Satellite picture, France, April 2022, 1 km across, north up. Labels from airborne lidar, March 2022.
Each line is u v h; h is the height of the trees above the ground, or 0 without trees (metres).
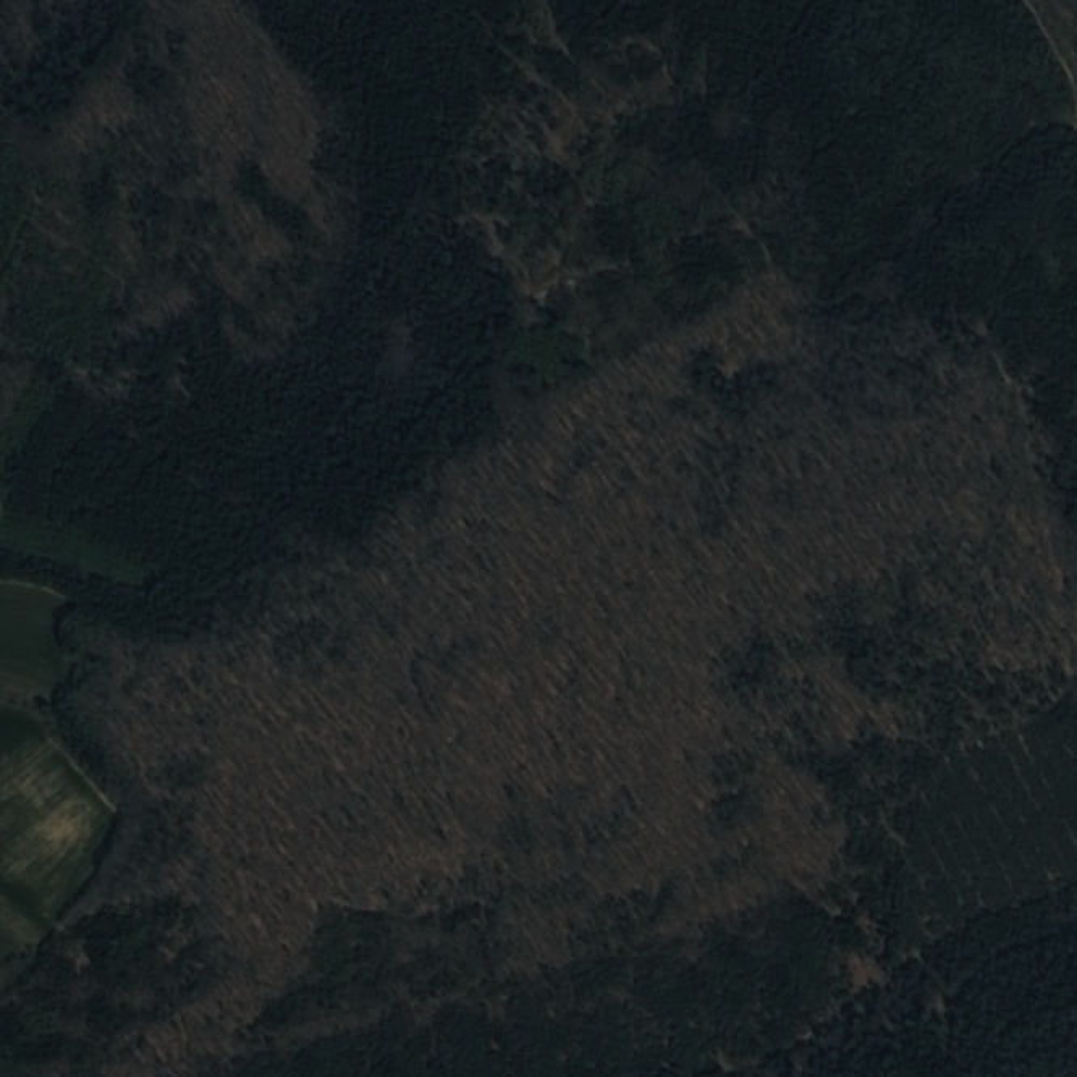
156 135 21
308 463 30
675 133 19
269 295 28
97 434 26
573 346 16
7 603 0
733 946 12
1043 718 21
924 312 24
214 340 23
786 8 19
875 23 13
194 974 15
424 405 23
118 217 17
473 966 12
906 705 24
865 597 24
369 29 28
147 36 17
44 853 0
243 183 24
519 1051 9
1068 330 17
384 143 26
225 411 26
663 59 7
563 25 8
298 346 25
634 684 27
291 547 24
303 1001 10
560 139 28
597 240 11
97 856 0
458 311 16
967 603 26
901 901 17
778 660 24
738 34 16
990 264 17
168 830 27
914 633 21
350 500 28
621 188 15
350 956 11
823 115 20
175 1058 18
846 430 27
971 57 18
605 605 29
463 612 26
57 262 15
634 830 25
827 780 25
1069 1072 17
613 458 27
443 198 14
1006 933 22
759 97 23
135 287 18
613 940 15
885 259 19
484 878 24
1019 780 19
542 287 6
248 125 23
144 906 14
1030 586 23
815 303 20
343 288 21
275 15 28
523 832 21
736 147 20
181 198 22
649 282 12
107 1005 14
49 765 0
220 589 26
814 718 20
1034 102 15
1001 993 24
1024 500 27
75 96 27
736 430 30
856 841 17
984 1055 21
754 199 19
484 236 9
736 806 21
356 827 23
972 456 26
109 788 21
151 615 26
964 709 26
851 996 16
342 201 21
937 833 16
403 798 23
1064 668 22
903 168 16
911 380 27
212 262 20
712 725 24
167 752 28
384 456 22
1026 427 25
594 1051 13
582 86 12
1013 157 24
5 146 14
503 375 22
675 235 12
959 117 15
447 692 26
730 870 23
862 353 29
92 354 15
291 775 27
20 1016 13
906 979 20
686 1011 12
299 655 27
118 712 30
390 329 25
